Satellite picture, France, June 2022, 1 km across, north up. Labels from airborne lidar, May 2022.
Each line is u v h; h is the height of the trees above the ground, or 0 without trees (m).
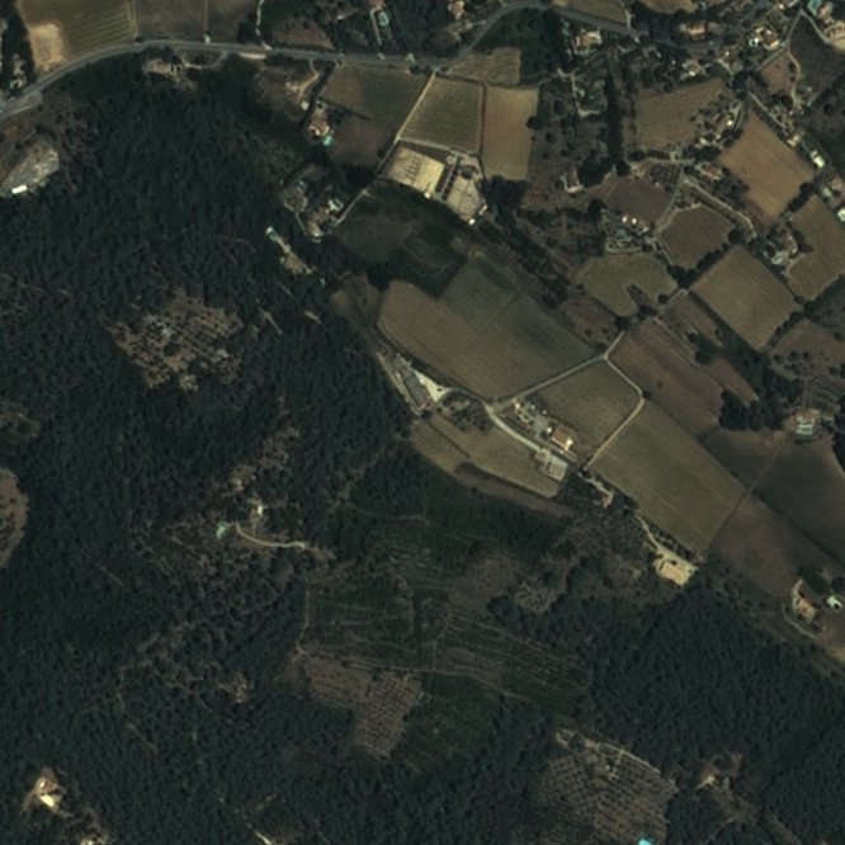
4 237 14
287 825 16
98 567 10
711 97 0
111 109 9
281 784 19
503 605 25
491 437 0
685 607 18
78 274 17
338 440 19
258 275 19
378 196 0
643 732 20
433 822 23
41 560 7
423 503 26
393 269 12
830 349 0
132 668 20
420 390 0
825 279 0
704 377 0
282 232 18
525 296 0
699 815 17
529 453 0
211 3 0
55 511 13
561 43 11
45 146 0
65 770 16
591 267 0
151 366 6
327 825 19
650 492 0
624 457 0
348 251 18
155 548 6
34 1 0
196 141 20
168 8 0
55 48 0
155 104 14
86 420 19
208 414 22
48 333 8
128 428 16
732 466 0
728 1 9
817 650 15
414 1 14
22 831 22
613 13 0
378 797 8
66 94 15
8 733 21
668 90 8
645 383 0
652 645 22
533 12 9
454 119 0
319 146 7
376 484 23
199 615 24
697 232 0
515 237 8
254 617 9
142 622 9
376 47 12
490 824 15
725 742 21
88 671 8
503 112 0
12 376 13
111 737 13
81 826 8
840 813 19
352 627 6
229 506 8
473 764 6
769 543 0
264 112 17
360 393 24
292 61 11
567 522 10
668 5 0
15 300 20
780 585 0
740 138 7
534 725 21
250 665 23
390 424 21
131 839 17
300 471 9
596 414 0
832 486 0
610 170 13
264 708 21
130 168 15
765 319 0
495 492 0
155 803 19
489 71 0
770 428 11
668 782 14
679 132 0
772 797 20
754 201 0
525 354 0
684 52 10
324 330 14
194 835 19
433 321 0
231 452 7
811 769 17
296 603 18
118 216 15
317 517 19
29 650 19
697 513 0
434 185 0
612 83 12
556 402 0
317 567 16
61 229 10
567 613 21
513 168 0
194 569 7
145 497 12
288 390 7
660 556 7
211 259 18
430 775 7
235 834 17
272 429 16
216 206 19
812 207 0
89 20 0
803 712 23
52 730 21
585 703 20
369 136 0
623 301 0
